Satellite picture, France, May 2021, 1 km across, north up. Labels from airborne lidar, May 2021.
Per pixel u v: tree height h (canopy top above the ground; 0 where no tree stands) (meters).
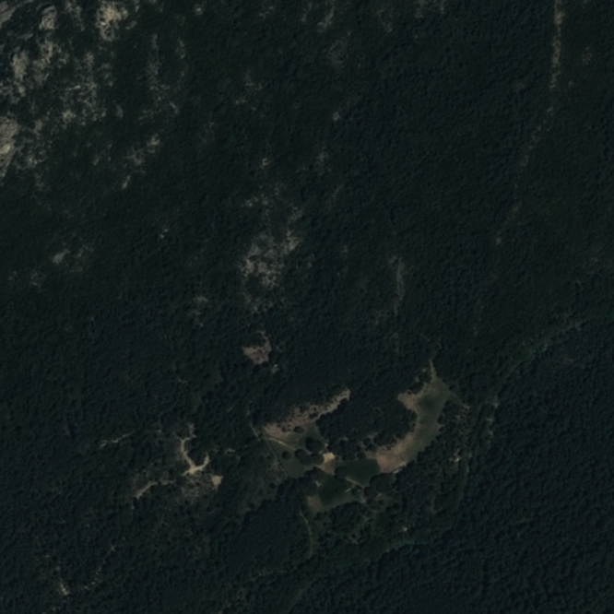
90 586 21
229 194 13
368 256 18
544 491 22
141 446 7
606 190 16
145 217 15
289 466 0
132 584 20
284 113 15
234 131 13
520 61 17
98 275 12
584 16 8
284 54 6
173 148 7
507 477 18
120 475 11
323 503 0
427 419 0
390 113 19
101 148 9
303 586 18
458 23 6
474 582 24
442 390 0
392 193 19
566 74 7
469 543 21
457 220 14
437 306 13
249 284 8
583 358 20
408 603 16
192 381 16
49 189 10
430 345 18
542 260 10
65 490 11
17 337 16
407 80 14
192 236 18
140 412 19
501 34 12
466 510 22
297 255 12
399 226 8
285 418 24
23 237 14
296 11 10
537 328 13
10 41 7
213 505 7
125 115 9
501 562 26
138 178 7
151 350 22
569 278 11
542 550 26
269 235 11
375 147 27
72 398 19
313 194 23
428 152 9
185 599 20
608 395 21
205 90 8
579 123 11
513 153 20
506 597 24
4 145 0
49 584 11
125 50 8
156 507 16
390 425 22
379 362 18
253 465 13
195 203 7
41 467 19
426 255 10
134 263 14
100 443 15
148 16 10
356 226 8
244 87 6
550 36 7
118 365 18
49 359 18
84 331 8
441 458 16
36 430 28
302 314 15
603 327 23
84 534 16
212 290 7
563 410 19
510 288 11
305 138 12
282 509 25
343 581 24
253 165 6
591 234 8
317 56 15
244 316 17
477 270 18
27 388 12
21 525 21
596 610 24
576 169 11
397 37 7
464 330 8
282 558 24
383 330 13
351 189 18
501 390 8
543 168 7
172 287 10
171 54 7
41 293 14
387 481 18
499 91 22
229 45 20
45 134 8
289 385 20
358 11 15
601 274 22
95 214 10
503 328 11
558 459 21
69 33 8
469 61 8
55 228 14
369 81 11
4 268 12
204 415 7
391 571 29
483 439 8
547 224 13
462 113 7
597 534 22
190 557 15
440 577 25
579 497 26
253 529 25
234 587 11
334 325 18
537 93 19
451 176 11
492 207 11
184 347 15
